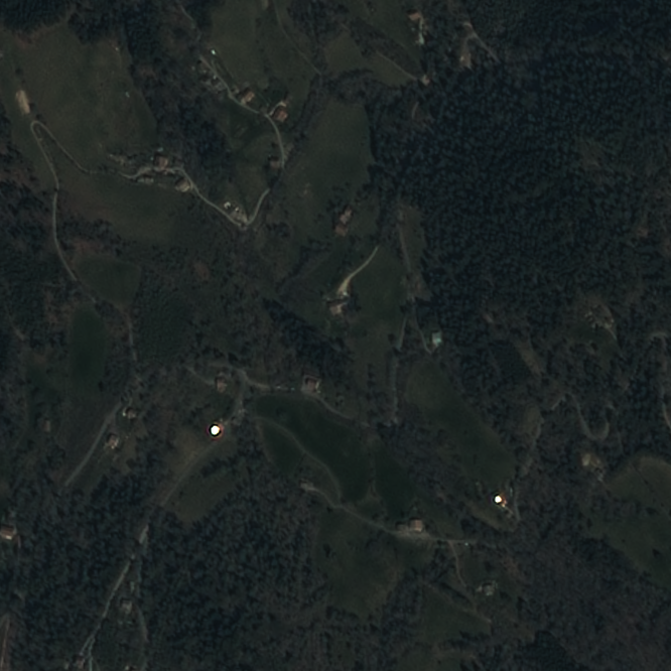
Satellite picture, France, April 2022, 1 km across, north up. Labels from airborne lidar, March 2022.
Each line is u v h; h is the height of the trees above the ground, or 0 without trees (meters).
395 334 0
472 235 25
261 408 0
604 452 21
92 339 0
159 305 10
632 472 0
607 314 20
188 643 17
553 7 31
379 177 21
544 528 20
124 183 0
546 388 14
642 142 18
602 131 27
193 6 9
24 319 7
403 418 15
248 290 7
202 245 0
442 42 14
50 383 0
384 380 0
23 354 18
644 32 37
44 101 0
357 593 0
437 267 22
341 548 0
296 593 17
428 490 22
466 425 0
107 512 8
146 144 0
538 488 18
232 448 0
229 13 0
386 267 0
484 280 27
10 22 20
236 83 0
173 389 0
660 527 0
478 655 24
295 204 0
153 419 18
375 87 16
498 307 17
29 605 8
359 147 0
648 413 20
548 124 29
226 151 22
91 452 0
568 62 27
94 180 0
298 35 0
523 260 24
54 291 7
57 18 17
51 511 12
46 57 0
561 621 17
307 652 11
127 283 0
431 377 0
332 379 20
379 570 0
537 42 33
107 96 0
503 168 19
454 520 28
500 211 16
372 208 0
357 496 0
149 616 18
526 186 21
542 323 14
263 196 0
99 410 0
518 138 24
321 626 13
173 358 7
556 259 26
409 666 0
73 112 0
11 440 14
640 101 25
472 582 0
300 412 0
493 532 20
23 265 8
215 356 15
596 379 11
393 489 0
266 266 0
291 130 6
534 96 30
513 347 15
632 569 23
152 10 29
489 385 21
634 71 30
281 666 12
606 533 0
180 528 18
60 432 0
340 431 0
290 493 12
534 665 20
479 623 0
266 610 13
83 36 24
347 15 20
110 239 8
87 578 19
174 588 16
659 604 22
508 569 8
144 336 9
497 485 0
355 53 0
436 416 0
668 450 21
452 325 26
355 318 26
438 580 16
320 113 17
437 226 7
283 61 0
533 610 12
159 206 0
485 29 22
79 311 0
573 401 17
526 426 0
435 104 14
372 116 20
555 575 20
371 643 21
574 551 15
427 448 18
